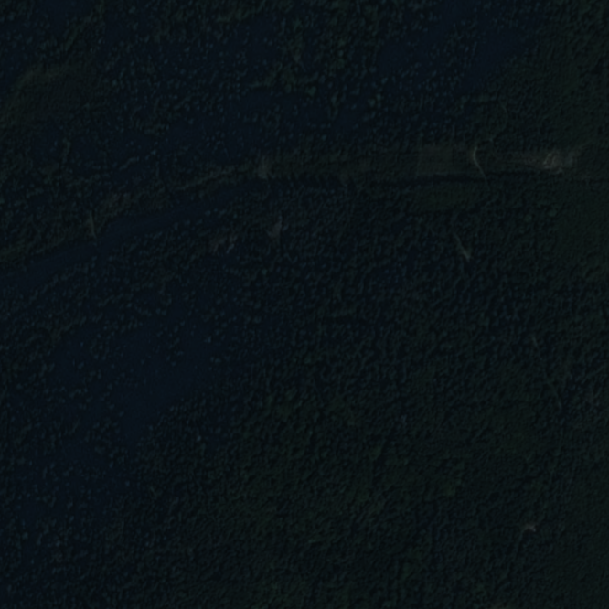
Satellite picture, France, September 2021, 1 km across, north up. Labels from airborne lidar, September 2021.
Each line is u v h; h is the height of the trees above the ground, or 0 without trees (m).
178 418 16
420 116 11
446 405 27
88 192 21
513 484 23
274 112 35
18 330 28
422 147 13
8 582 17
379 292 29
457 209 18
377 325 16
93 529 22
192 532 28
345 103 10
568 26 24
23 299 11
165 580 15
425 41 29
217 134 33
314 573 35
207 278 22
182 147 15
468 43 28
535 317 8
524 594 25
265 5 12
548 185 13
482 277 21
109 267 27
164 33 28
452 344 22
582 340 16
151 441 13
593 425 22
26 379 20
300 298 23
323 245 14
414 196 21
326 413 17
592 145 7
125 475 19
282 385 14
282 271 26
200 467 15
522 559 24
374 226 26
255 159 30
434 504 19
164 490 14
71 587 22
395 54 21
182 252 29
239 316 33
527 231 17
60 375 16
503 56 23
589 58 31
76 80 6
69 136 8
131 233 12
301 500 13
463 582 21
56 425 21
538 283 18
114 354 36
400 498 30
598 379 22
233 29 11
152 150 14
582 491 19
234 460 11
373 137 13
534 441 28
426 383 17
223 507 13
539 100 14
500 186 19
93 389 7
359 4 23
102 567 17
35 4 7
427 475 19
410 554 25
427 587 31
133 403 14
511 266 16
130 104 18
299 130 9
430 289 19
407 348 27
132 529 13
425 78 27
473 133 12
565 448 21
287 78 25
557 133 19
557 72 20
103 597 19
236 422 17
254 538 17
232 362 20
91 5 29
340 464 14
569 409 23
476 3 33
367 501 8
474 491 21
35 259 10
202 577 31
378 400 18
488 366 31
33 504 37
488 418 21
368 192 7
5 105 31
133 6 6
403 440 28
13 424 14
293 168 8
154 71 17
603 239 29
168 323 9
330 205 31
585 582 20
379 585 16
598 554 21
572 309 22
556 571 23
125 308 34
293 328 20
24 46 27
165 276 32
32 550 18
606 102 21
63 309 34
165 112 21
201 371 17
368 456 17
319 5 29
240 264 31
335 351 31
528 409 22
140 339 19
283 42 14
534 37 24
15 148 6
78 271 29
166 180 32
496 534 11
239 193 7
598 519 25
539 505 21
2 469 18
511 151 15
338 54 25
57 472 16
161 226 8
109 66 10
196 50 6
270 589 28
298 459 8
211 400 18
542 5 25
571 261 23
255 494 25
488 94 22
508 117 10
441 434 24
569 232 23
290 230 24
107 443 37
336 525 20
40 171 28
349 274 27
